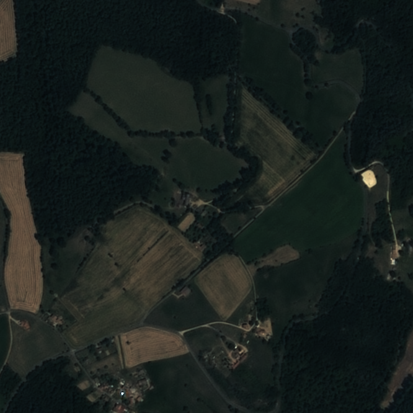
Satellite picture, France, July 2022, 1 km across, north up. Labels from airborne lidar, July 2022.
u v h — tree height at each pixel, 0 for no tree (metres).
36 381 11
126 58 0
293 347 15
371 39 8
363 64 8
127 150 0
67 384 9
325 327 23
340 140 0
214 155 0
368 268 16
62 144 24
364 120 20
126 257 0
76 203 8
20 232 0
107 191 16
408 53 13
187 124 0
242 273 0
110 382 8
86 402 6
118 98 0
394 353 22
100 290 0
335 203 0
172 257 0
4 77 14
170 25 16
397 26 22
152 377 0
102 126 0
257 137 0
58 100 22
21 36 14
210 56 19
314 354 17
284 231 0
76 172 21
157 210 21
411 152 8
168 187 0
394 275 16
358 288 20
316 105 0
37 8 23
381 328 24
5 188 0
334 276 9
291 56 0
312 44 11
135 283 0
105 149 27
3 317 0
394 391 0
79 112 0
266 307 9
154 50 21
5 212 14
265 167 0
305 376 13
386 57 17
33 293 0
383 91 21
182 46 15
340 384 14
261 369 0
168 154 21
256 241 0
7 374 8
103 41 19
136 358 0
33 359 0
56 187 14
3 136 12
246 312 0
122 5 22
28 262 0
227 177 0
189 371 0
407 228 0
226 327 0
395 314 17
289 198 0
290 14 0
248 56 0
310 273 0
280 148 0
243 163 0
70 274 0
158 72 0
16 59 9
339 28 19
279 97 0
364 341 17
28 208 0
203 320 0
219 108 0
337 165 0
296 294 0
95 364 0
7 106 10
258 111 0
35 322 0
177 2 14
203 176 0
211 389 0
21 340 0
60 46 14
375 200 0
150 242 0
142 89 0
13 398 9
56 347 0
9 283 0
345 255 0
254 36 0
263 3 0
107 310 0
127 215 0
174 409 0
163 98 0
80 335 0
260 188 0
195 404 0
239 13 8
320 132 0
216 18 19
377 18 15
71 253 0
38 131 25
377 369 16
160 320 0
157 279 0
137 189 23
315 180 0
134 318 0
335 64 0
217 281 0
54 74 20
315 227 0
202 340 0
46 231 19
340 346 20
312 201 0
